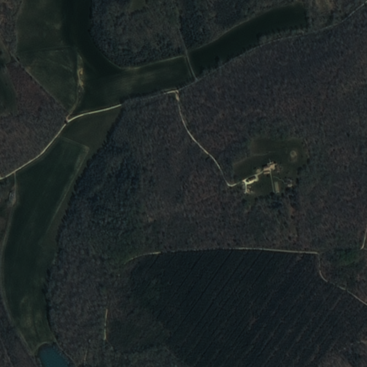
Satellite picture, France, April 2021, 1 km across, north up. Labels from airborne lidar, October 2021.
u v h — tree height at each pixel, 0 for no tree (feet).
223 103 29
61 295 60
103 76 0
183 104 51
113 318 32
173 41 62
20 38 0
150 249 44
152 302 35
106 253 83
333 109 47
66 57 0
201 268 44
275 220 52
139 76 0
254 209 40
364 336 22
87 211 59
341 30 48
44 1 0
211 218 34
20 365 71
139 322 42
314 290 35
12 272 0
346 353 42
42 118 63
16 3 73
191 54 0
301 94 18
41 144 62
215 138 38
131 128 68
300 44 62
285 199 52
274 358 32
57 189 0
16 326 0
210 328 37
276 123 65
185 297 40
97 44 32
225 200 51
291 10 0
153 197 47
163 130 40
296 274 25
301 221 31
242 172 0
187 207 57
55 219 0
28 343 0
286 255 26
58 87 0
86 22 0
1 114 0
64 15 0
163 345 30
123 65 31
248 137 48
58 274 46
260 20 0
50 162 0
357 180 27
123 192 23
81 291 63
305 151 30
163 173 40
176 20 81
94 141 0
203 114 27
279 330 35
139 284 32
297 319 28
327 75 27
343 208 41
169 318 36
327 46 73
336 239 69
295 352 27
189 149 45
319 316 31
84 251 54
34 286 0
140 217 83
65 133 0
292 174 0
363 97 72
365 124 62
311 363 31
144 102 79
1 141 44
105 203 36
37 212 0
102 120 0
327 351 34
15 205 0
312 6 56
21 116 46
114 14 71
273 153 0
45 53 0
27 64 0
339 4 74
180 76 0
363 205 41
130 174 60
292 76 39
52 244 0
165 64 0
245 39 0
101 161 49
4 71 50
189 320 43
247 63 41
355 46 33
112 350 42
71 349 53
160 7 61
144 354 71
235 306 31
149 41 52
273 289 32
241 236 35
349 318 24
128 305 22
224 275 33
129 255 71
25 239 0
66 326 52
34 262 0
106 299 33
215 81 39
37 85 49
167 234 32
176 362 56
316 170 72
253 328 32
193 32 39
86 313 52
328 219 27
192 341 37
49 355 0
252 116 36
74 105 0
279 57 30
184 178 34
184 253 44
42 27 0
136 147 59
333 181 41
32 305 0
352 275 21
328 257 56
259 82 31
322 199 44
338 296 36
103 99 0
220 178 42
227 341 32
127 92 0
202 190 31
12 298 0
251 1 60
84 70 0
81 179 25
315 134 66
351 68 49
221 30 69
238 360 40
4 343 79
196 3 76
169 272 34
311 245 38
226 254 37
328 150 41
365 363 43
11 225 0
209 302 35
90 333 66
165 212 37
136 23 67
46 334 0
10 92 0
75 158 0
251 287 24
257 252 37
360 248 24
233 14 55
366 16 64
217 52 0
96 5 44
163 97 53
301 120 42
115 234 71
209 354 40
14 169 58
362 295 24
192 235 29
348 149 40
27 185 0
